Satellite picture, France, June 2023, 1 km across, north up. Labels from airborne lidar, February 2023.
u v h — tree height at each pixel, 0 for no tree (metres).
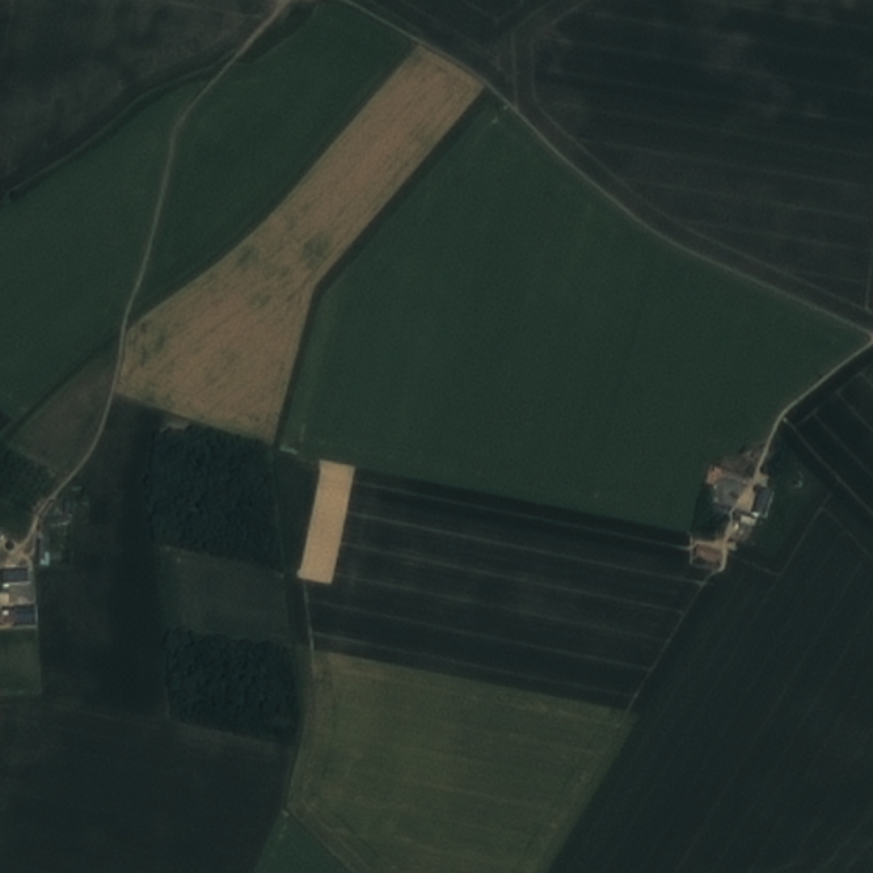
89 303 0
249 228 0
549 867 0
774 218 0
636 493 0
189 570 0
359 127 0
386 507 0
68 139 0
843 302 0
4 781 0
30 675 0
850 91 0
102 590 0
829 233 0
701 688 0
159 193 0
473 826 0
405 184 0
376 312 0
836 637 0
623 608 0
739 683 0
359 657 0
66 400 0
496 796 0
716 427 0
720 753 0
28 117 0
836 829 0
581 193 0
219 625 0
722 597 0
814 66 0
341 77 0
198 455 19
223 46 0
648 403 0
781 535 0
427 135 0
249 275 0
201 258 0
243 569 0
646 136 0
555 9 0
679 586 0
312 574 0
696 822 0
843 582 0
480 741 0
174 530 19
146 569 0
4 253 0
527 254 0
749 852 0
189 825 0
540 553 0
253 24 0
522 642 0
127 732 0
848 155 0
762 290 0
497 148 0
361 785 0
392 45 0
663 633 0
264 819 0
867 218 0
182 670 17
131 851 0
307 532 0
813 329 0
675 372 0
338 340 0
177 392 0
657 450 0
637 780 0
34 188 0
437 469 0
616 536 0
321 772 0
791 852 0
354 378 0
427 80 0
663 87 0
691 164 0
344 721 0
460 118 0
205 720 14
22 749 0
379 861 0
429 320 0
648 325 0
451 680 0
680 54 0
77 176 0
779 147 0
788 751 0
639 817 0
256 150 0
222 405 0
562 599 0
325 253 0
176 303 0
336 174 0
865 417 0
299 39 0
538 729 0
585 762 0
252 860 0
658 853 0
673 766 0
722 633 0
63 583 0
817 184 0
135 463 0
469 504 0
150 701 0
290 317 0
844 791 0
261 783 0
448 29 0
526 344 0
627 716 0
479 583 0
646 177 0
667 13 0
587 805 0
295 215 0
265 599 0
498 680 0
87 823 0
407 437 0
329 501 0
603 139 0
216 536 18
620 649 0
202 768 0
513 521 0
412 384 0
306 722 0
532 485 0
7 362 0
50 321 0
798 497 0
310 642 0
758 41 0
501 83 0
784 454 10
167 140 0
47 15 0
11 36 0
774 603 0
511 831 0
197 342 0
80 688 0
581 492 0
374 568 0
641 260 0
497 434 0
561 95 0
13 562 0
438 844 0
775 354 0
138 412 0
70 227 0
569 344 0
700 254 0
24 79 0
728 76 0
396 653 0
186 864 0
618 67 0
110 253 0
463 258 0
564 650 0
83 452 0
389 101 0
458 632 0
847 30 0
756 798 0
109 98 0
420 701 0
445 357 0
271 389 0
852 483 0
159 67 0
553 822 0
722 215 0
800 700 0
